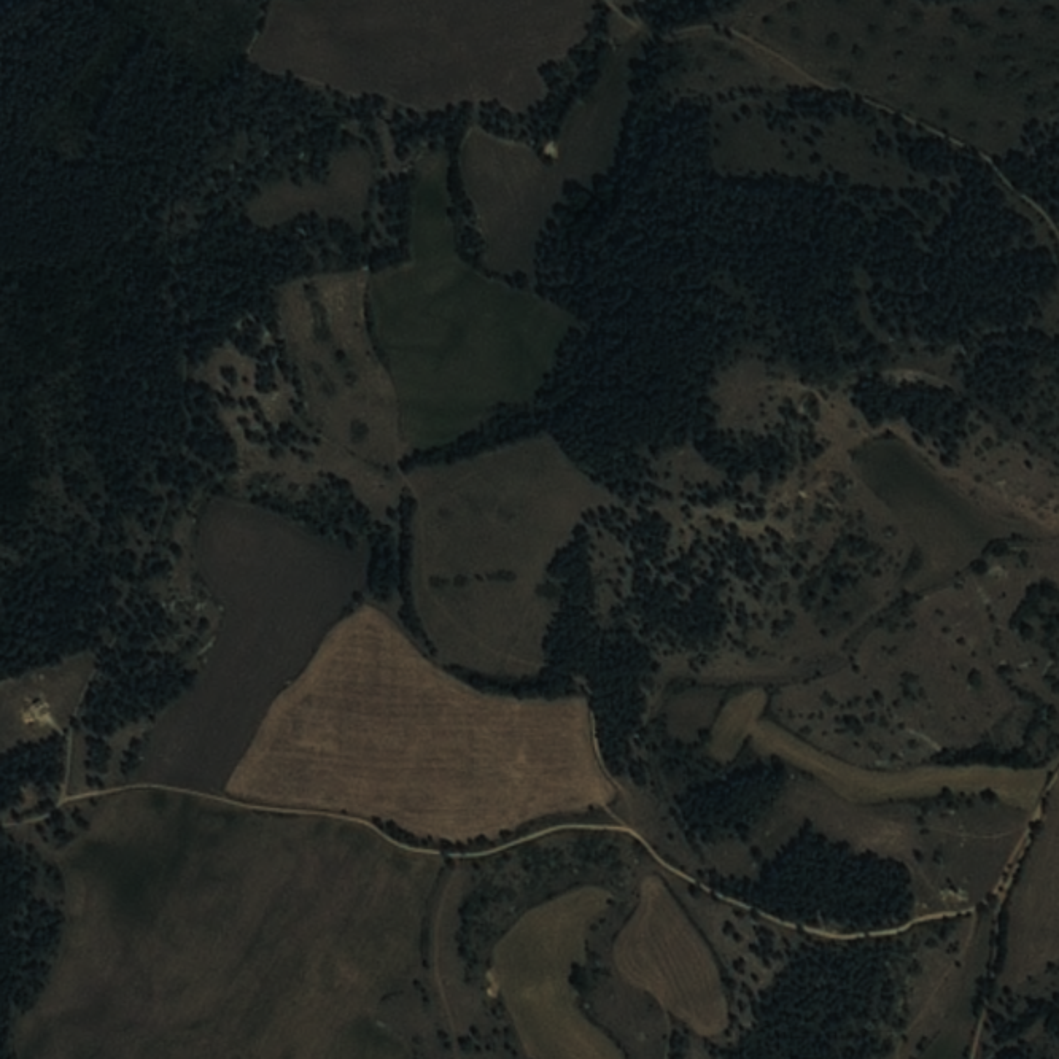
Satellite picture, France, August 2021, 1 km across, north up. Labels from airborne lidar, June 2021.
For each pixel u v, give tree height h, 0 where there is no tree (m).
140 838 0
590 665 12
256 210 0
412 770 0
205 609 0
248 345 13
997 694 0
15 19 21
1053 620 7
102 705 11
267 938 0
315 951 0
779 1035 11
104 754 11
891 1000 14
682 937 0
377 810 0
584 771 0
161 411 13
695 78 0
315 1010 0
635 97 11
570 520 0
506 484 0
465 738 0
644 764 10
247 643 0
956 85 0
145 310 12
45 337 6
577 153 0
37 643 15
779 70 0
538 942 0
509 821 0
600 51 12
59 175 14
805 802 0
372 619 0
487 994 0
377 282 0
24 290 8
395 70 0
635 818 0
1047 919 0
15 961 8
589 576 10
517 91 0
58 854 0
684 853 0
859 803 0
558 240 11
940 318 15
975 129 0
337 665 0
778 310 11
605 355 13
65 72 18
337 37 0
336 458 0
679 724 0
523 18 0
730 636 7
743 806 17
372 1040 0
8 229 14
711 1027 0
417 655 0
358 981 0
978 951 0
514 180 0
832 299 15
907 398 16
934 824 0
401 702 0
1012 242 12
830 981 8
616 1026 0
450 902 0
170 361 14
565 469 0
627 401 22
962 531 0
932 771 0
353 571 0
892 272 15
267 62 0
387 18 0
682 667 0
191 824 0
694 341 18
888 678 0
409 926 0
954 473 0
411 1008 0
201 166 15
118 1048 0
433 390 0
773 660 0
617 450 14
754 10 0
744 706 0
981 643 0
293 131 9
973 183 12
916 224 11
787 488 0
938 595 0
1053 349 9
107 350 11
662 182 16
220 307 14
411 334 0
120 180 11
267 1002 0
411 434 0
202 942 0
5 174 13
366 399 0
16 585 9
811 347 17
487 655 0
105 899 0
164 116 14
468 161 0
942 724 0
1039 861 0
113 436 13
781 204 18
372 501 0
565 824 0
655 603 13
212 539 0
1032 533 0
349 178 0
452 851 12
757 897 11
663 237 16
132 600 7
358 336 0
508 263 0
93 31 19
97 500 10
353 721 0
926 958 0
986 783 0
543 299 12
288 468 0
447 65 0
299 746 0
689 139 18
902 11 0
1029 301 9
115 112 14
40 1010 0
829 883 15
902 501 0
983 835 0
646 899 0
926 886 0
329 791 0
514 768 0
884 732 0
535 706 0
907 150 6
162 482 10
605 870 0
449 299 0
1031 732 7
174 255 9
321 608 0
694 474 0
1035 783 0
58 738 13
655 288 18
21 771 11
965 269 19
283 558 0
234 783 0
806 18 0
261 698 0
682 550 8
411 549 9
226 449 13
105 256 9
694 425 13
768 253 19
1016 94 0
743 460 8
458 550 0
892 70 0
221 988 0
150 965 0
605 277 19
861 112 10
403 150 12
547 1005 0
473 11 0
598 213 13
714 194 15
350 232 9
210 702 0
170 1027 0
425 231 0
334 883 0
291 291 0
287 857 0
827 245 17
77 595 13
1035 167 13
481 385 0
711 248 17
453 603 0
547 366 0
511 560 0
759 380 0
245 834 0
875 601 0
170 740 0
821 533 0
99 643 14
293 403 7
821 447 9
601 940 0
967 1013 0
